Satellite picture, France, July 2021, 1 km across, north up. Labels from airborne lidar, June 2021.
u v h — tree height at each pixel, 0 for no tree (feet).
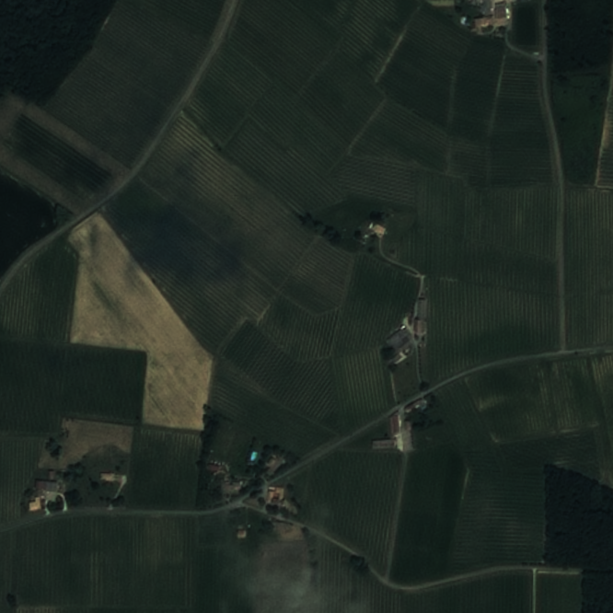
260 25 0
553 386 0
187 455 0
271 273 0
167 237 0
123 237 0
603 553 71
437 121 0
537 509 0
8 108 0
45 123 0
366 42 0
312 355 0
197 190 0
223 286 0
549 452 0
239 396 0
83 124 0
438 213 0
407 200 0
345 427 0
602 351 0
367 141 0
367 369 0
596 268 0
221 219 0
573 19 25
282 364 0
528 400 0
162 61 0
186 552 0
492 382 0
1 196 0
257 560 0
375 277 0
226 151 0
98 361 0
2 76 85
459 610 0
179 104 0
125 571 0
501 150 0
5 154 0
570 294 0
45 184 0
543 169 0
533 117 0
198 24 0
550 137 0
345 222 0
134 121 0
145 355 0
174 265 0
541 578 0
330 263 0
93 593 0
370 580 0
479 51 0
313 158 0
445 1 0
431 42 0
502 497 0
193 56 0
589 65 56
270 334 0
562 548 59
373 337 0
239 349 0
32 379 0
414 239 0
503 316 0
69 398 0
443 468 0
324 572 0
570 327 0
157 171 0
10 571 0
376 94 0
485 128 0
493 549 0
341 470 0
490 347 0
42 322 0
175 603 0
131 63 0
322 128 0
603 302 0
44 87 62
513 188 0
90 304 0
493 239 0
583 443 0
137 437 0
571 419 0
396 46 0
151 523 0
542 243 0
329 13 0
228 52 0
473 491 0
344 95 0
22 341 0
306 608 0
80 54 50
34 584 0
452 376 0
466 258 0
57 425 0
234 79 0
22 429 0
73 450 0
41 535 0
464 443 0
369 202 0
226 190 0
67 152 0
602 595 68
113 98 0
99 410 0
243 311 0
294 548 0
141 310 0
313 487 0
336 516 0
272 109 0
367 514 0
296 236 0
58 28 77
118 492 0
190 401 0
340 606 0
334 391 0
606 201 0
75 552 0
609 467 0
